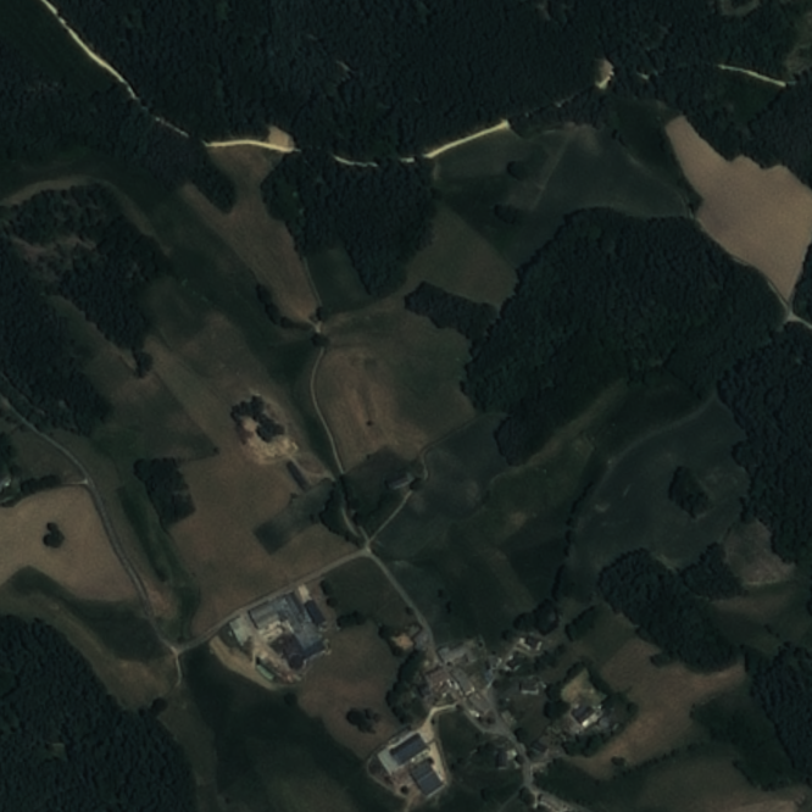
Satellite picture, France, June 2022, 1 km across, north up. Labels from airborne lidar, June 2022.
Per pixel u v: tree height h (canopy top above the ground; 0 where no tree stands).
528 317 19
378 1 30
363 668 0
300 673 0
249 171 0
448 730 0
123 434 0
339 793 0
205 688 0
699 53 30
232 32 16
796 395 29
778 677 27
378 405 0
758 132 16
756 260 0
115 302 27
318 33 33
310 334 0
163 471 20
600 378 27
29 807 25
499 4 27
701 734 0
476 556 0
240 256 0
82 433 11
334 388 0
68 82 11
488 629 0
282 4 27
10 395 22
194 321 0
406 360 0
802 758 22
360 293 0
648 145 0
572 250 20
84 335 0
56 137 16
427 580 0
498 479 0
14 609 0
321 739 0
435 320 19
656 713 0
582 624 22
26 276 32
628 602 26
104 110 14
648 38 12
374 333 0
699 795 0
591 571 0
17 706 22
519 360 15
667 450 0
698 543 0
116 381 0
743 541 0
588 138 0
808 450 17
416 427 0
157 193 0
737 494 0
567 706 19
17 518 0
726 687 0
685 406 0
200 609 0
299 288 0
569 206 0
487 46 25
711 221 0
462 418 0
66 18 25
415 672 21
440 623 0
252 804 0
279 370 0
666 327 14
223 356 0
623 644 0
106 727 29
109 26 26
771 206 0
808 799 0
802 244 0
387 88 23
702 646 18
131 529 0
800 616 0
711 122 14
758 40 14
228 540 0
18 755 24
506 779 0
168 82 25
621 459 0
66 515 0
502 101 22
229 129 11
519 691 0
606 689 15
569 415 27
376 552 8
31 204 7
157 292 0
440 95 25
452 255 0
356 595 0
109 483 0
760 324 17
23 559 0
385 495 6
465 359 0
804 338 21
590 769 0
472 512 0
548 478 0
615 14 15
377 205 26
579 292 26
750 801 0
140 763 24
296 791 0
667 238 27
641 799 0
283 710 0
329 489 0
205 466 0
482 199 0
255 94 24
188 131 22
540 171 0
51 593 0
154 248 29
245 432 0
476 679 0
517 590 0
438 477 0
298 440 0
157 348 0
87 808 28
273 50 30
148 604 0
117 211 14
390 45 23
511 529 0
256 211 0
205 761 0
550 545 0
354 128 6
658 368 13
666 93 30
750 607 0
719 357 20
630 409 0
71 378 13
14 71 27
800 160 23
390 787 0
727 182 0
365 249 28
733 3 8
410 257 17
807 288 23
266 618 0
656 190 0
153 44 22
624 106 0
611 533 0
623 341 15
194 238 0
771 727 0
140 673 0
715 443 0
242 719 0
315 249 15
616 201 0
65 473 0
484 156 0
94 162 0
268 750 0
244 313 0
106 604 0
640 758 0
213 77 27
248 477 0
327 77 34
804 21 0
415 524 0
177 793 24
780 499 19
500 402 18
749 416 31
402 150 20
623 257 27
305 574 0
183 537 0
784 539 21
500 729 0
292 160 24
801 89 23
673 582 24
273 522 0
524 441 24
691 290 26
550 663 19
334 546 0
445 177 0
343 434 0
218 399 0
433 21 23
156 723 17
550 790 7
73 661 26
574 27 24
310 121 32
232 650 0
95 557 0
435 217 12
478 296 0
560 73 28
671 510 0
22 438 0
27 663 21
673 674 0
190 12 13
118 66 23
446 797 0
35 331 29
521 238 0
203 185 11
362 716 10
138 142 26
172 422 0
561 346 19
